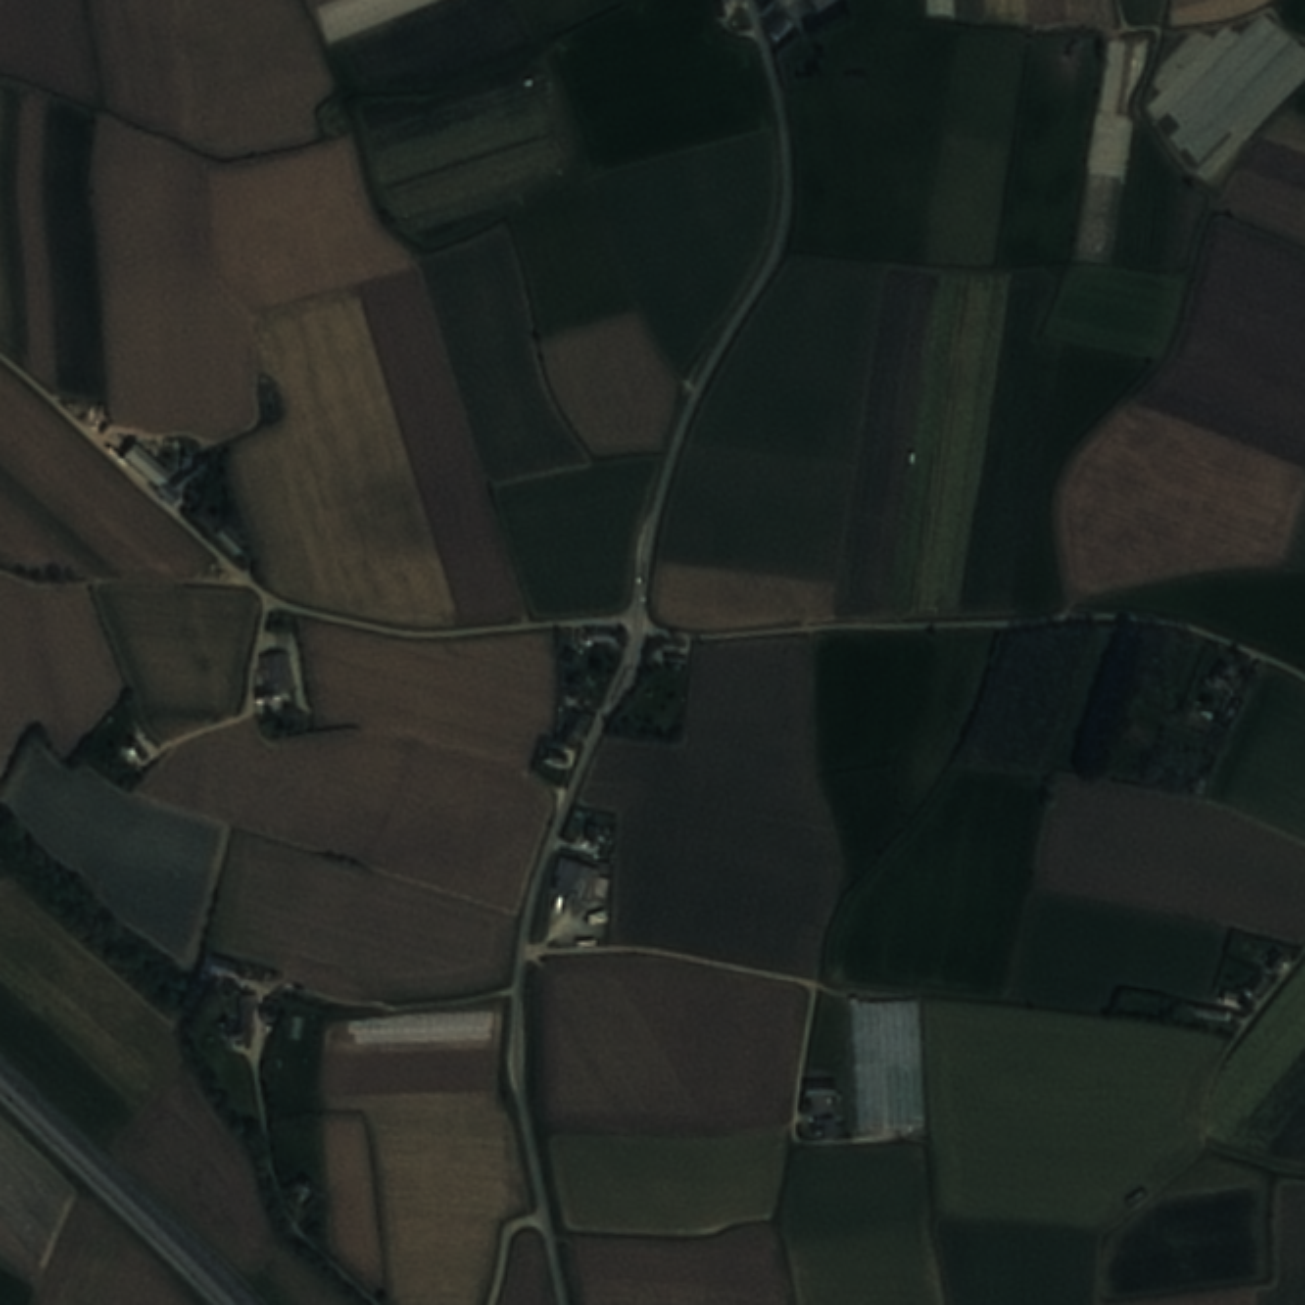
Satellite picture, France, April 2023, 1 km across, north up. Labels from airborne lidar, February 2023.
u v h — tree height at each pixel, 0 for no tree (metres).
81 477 0
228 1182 0
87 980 0
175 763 0
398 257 0
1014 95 0
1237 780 0
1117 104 0
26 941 0
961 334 0
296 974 0
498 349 0
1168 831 0
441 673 0
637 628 0
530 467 0
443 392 0
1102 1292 0
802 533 0
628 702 11
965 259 0
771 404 0
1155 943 0
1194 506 0
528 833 0
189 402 0
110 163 0
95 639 0
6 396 0
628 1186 0
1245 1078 0
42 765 0
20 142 0
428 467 0
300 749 0
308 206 0
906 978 0
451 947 0
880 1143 0
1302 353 0
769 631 0
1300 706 0
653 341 0
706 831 0
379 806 0
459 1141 0
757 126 0
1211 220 0
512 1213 0
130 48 0
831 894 0
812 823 0
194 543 0
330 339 0
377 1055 0
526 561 0
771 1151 0
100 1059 0
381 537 0
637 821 0
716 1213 0
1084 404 0
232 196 0
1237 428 0
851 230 0
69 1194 0
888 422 0
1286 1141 0
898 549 0
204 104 0
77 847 0
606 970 0
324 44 0
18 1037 0
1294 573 0
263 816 0
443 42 0
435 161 0
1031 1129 0
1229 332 0
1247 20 0
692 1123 0
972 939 0
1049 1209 0
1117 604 0
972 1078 0
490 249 0
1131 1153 0
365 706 0
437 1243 0
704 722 0
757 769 0
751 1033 0
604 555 0
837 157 0
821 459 0
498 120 0
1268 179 0
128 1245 0
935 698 0
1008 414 0
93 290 0
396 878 0
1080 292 0
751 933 0
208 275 0
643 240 0
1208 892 0
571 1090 0
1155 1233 0
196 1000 17
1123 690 22
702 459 0
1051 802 11
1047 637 15
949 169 0
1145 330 0
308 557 0
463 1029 0
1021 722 20
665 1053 0
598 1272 0
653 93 0
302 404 0
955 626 0
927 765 0
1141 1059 0
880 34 0
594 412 0
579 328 0
